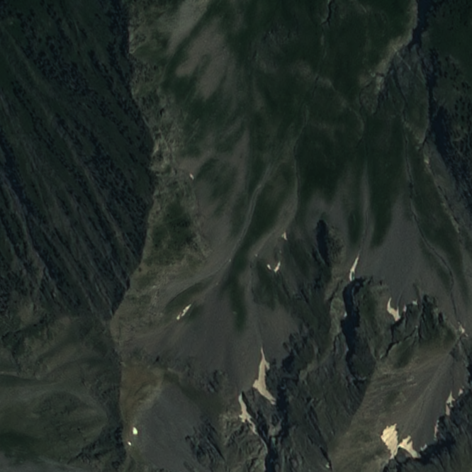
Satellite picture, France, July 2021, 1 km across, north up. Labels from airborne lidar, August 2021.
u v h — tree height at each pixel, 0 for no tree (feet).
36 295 0
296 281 0
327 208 0
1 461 0
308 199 0
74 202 0
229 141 0
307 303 0
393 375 0
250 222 0
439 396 0
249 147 0
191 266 0
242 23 0
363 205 0
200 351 0
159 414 0
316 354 0
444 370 0
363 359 0
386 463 0
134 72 24
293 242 0
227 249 0
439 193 0
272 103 0
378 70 0
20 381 0
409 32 0
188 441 0
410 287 0
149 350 0
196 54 0
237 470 0
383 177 0
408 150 0
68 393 0
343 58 0
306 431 0
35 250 0
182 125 0
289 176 0
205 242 0
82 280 0
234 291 0
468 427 0
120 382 0
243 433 0
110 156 34
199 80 0
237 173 0
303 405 0
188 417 0
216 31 0
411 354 0
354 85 0
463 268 0
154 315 0
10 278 26
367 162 0
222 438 0
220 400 0
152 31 0
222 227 0
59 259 31
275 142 0
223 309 0
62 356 0
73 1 0
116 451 0
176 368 0
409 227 0
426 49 0
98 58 34
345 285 0
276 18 0
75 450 0
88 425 0
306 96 0
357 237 0
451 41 0
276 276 0
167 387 0
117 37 0
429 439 0
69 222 0
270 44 0
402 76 0
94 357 0
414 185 0
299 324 0
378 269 0
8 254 0
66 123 35
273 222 0
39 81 0
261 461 0
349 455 0
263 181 0
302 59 0
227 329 0
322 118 0
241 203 0
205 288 0
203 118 0
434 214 0
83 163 0
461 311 0
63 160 26
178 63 0
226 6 0
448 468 0
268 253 0
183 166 0
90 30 0
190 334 0
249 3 0
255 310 0
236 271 0
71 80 43
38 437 0
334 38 0
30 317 0
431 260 0
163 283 0
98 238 0
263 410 0
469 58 0
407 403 0
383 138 0
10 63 0
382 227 0
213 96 0
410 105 0
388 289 0
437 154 0
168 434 0
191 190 0
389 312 0
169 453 0
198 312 0
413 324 0
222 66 0
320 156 0
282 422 0
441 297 0
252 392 0
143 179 0
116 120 47
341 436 0
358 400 0
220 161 0
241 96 0
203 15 0
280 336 0
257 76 0
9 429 0
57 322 0
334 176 0
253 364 0
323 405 0
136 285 0
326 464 0
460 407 0
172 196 0
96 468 0
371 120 0
